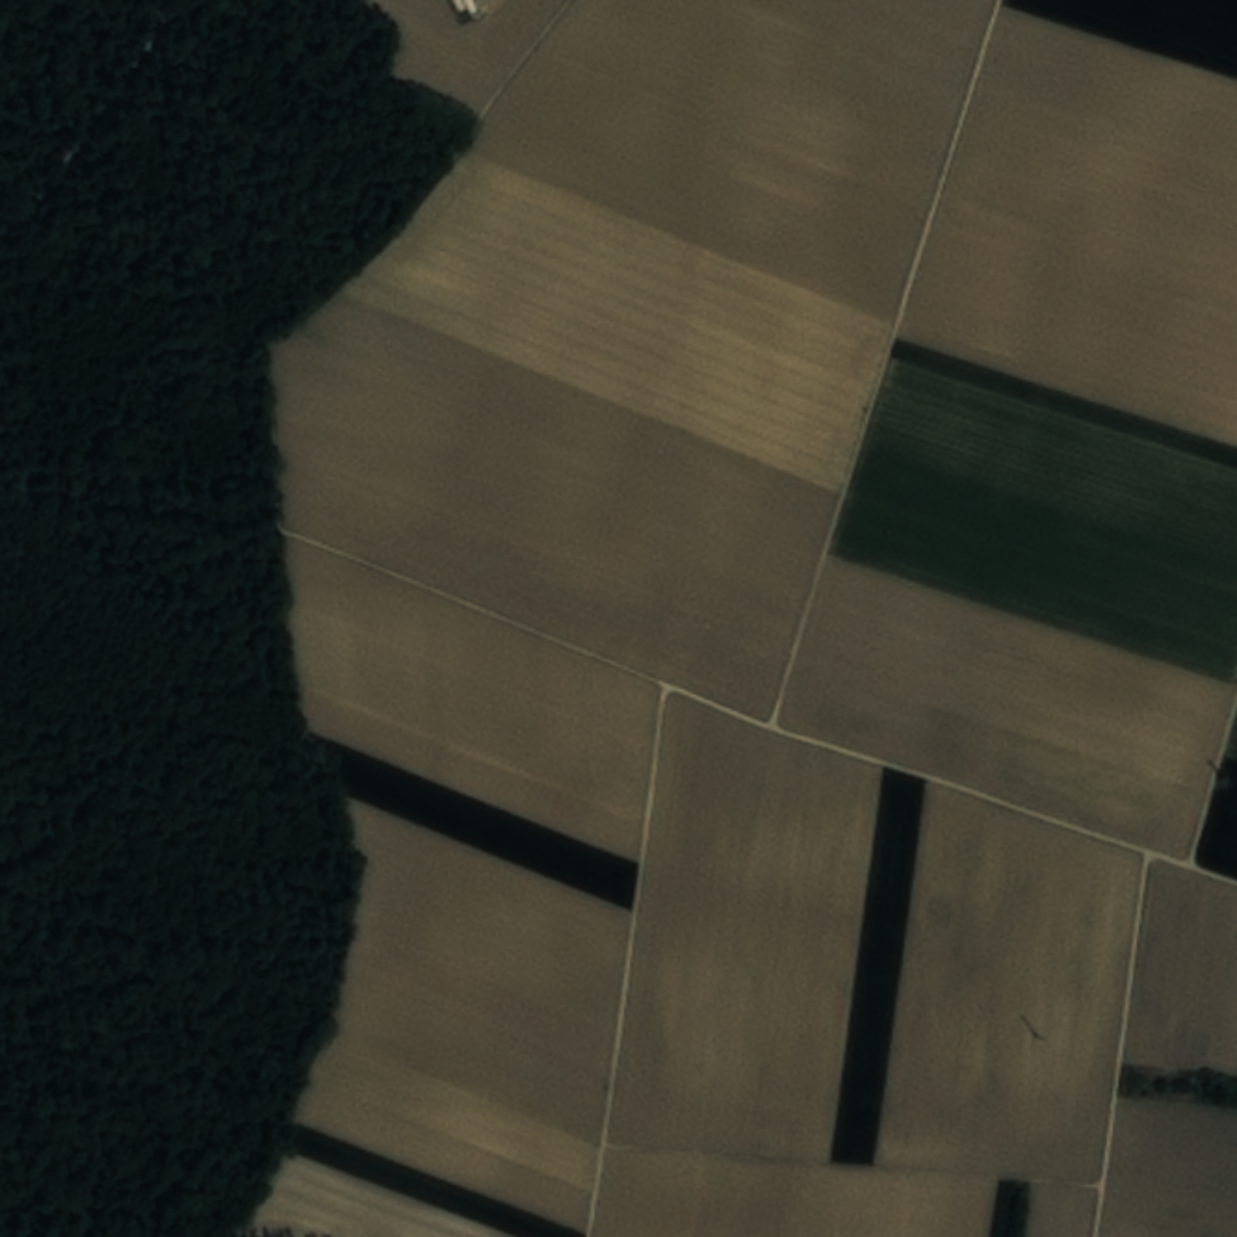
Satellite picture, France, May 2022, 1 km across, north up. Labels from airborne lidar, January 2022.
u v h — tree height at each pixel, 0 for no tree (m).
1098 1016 0
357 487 0
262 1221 0
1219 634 0
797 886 0
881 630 0
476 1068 0
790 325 0
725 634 0
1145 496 0
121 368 27
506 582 0
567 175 0
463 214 0
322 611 0
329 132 27
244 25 16
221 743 25
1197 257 0
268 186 25
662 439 0
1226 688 0
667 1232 0
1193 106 0
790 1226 0
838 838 0
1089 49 0
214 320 23
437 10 0
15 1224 24
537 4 0
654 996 0
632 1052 0
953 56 0
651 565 0
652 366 0
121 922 27
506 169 0
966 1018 0
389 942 0
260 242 22
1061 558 0
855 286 0
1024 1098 0
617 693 0
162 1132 27
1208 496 0
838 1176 0
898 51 0
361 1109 0
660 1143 0
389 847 0
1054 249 0
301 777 23
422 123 18
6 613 22
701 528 0
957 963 0
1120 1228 0
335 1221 0
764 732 0
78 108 8
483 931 0
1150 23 0
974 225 0
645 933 0
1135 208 0
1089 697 0
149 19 19
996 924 0
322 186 22
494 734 0
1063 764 0
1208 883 0
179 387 30
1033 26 0
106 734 30
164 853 24
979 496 0
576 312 0
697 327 0
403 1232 0
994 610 0
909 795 0
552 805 0
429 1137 0
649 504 0
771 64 0
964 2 0
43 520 22
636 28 0
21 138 21
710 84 0
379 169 28
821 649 0
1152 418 0
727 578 0
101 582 23
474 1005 0
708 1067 0
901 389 0
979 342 0
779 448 0
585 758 0
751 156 0
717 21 0
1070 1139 0
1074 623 0
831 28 0
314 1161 0
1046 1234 0
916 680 0
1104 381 0
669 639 0
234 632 23
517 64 0
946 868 0
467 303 0
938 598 0
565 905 0
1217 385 0
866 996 0
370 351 0
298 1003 21
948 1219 0
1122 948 0
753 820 0
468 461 0
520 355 0
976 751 0
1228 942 0
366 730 0
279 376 0
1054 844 0
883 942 0
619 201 0
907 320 0
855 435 0
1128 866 0
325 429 0
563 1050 0
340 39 28
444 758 0
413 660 0
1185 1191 0
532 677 0
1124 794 0
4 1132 26
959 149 0
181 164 24
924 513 0
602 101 0
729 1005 0
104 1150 28
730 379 0
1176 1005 0
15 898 22
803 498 0
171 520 27
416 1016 0
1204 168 0
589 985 0
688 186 0
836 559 0
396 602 0
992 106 0
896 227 0
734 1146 0
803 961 0
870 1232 0
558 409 0
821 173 0
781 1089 0
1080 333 0
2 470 22
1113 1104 0
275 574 23
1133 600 0
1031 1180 0
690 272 0
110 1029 29
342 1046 0
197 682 18
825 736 0
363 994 0
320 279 18
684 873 0
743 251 0
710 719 0
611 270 0
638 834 0
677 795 0
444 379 0
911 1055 0
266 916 24
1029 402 0
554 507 0
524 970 0
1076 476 0
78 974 25
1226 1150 0
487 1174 0
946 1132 0
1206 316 0
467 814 0
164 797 26
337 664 0
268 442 11
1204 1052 0
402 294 0
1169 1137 0
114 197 26
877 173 0
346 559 0
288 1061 28
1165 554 0
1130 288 0
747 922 0
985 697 0
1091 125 0
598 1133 0
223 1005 25
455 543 0
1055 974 0
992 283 0
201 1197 22
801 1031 0
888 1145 0
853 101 0
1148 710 0
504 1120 0
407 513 0
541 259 0
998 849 0
